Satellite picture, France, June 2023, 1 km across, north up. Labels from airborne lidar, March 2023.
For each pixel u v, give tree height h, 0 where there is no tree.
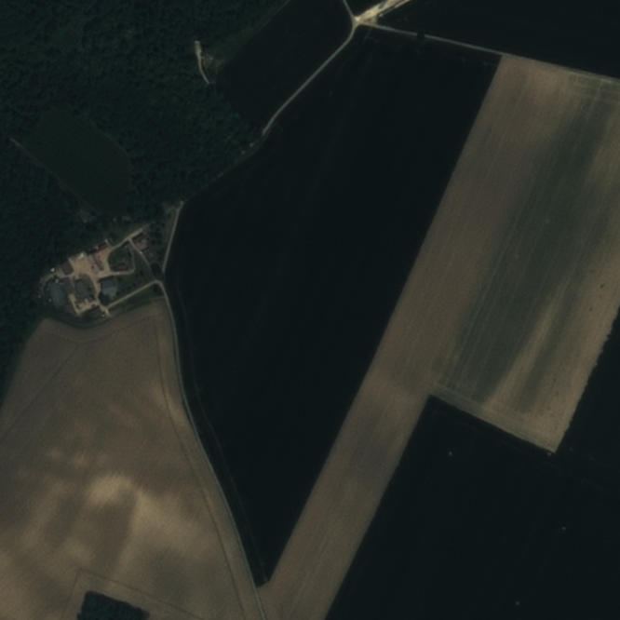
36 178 21
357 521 0
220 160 13
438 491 0
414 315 0
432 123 0
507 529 0
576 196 0
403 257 0
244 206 0
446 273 0
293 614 0
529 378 0
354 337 0
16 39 16
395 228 0
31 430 0
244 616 0
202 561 0
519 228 0
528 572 0
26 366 0
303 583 0
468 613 0
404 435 0
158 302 0
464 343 0
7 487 0
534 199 0
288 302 0
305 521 0
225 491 0
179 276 0
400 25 0
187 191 16
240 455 0
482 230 0
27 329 12
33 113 13
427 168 0
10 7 17
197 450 0
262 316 0
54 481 0
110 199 0
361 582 0
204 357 0
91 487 0
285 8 0
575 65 0
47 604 0
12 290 20
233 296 0
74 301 0
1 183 15
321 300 0
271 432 0
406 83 0
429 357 0
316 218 0
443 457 0
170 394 0
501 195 0
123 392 0
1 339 16
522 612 0
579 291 0
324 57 0
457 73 0
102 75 15
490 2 0
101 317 0
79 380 0
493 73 0
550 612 0
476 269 0
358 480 0
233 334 0
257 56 0
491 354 0
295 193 0
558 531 0
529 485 0
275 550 0
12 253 23
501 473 0
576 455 0
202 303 0
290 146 0
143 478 0
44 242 15
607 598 0
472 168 0
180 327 0
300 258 0
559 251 0
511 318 0
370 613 0
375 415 0
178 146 14
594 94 0
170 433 0
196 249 0
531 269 0
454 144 0
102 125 21
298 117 0
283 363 0
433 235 0
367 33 0
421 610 0
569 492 0
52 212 20
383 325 0
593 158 0
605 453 0
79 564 0
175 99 9
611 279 0
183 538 0
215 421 0
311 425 0
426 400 0
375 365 0
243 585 0
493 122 0
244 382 0
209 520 0
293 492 0
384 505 0
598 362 0
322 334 0
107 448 0
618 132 0
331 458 0
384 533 0
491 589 0
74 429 0
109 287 0
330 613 0
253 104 0
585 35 0
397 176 0
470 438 0
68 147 0
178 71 9
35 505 0
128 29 14
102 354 0
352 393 0
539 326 0
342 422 0
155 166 18
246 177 0
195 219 0
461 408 0
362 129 0
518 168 0
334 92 0
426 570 0
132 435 0
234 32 17
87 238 16
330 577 0
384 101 0
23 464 0
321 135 0
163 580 0
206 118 10
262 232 0
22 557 0
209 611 0
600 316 0
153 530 0
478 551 0
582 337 0
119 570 0
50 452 0
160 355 0
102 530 0
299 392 0
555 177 0
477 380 0
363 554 0
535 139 0
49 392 0
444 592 0
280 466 0
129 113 21
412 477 0
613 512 0
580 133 0
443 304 0
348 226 0
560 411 0
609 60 0
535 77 0
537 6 0
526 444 0
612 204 0
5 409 0
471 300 0
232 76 0
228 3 18
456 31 0
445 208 0
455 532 0
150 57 11
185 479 0
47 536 0
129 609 19
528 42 0
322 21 0
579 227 0
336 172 0
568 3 0
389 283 0
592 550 0
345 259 0
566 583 0
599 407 0
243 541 0
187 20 22
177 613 0
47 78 17
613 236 0
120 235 0
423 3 0
